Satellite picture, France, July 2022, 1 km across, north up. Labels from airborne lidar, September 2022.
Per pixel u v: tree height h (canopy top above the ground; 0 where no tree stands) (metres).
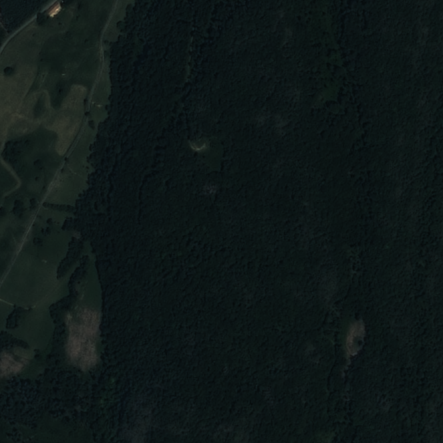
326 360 18
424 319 19
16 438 10
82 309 0
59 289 0
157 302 12
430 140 15
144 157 16
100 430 23
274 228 14
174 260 22
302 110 15
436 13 15
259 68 12
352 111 23
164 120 18
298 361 15
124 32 12
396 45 11
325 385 17
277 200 17
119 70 15
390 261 12
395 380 17
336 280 6
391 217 7
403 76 13
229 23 21
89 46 0
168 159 21
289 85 9
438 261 9
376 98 12
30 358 0
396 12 10
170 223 21
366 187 29
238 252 24
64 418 7
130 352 17
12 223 0
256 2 25
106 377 20
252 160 19
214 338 17
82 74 0
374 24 16
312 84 22
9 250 0
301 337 15
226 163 20
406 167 12
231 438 12
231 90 12
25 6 24
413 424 12
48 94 0
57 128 0
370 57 21
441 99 15
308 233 9
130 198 18
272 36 17
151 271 7
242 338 18
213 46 25
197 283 17
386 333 11
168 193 16
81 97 0
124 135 23
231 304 19
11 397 12
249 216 17
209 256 15
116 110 23
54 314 15
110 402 13
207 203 21
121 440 9
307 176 12
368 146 23
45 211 0
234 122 14
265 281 20
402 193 7
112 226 19
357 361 26
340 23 11
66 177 0
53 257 0
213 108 12
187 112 18
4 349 19
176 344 16
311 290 11
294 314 12
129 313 17
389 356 15
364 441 19
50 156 0
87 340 0
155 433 20
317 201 14
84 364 0
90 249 0
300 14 30
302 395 8
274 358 9
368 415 10
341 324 19
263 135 14
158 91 18
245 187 18
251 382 17
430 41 11
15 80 0
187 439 15
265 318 19
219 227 17
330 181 21
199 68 24
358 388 13
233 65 14
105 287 18
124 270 19
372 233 19
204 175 15
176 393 10
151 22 19
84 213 18
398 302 10
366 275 15
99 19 0
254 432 12
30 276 0
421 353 17
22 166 6
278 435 17
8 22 19
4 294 0
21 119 0
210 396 15
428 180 20
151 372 15
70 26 0
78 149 0
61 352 7
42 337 0
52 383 15
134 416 9
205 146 0
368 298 6
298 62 16
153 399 12
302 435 17
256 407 15
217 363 17
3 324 0
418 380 14
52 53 0
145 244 21
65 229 17
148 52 22
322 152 23
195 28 24
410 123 15
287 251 18
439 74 16
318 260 16
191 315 15
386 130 13
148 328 13
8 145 16
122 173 22
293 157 20
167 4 23
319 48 25
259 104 16
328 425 19
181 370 14
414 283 14
